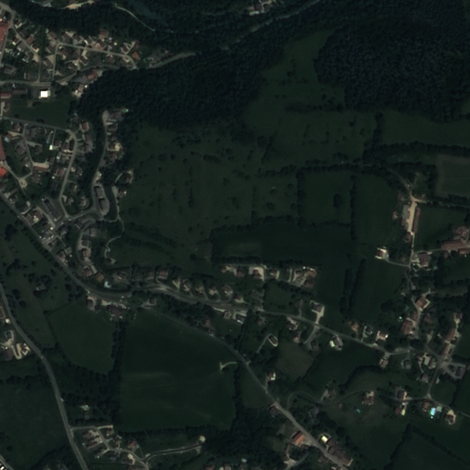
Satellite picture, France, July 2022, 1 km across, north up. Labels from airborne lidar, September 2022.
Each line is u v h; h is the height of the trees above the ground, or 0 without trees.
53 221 0
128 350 0
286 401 0
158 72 13
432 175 12
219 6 13
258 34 8
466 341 0
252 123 0
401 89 33
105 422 21
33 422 0
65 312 0
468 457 0
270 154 7
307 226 17
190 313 15
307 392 0
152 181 0
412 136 0
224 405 0
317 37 0
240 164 0
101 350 0
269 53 21
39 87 0
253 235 0
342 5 8
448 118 21
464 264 0
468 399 0
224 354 0
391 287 0
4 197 0
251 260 15
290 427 0
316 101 0
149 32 21
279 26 24
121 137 12
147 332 0
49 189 9
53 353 12
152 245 7
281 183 0
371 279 0
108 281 0
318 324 0
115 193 0
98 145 6
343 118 0
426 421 0
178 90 23
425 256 0
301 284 0
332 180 0
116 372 18
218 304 0
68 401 14
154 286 0
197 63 32
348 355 0
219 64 23
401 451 13
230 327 0
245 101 17
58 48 0
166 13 6
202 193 0
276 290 0
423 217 0
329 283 0
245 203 0
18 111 0
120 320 6
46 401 0
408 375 6
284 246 0
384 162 17
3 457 8
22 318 0
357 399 0
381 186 0
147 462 0
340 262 0
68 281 7
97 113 9
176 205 0
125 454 0
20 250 0
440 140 0
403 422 0
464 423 0
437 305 6
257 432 16
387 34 28
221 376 0
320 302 0
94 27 23
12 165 12
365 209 0
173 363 0
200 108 20
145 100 22
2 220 0
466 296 10
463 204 10
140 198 0
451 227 8
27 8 25
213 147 0
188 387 0
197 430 15
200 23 25
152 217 0
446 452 13
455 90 6
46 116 0
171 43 23
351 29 20
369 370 18
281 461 9
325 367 0
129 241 6
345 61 7
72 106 13
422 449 0
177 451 0
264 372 6
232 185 0
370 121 0
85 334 0
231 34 31
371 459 0
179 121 21
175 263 0
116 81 19
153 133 0
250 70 15
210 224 0
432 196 6
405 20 17
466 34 29
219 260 16
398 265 0
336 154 7
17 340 0
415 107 21
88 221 0
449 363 0
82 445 0
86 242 0
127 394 0
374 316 0
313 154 0
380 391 9
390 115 0
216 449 8
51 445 0
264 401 0
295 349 0
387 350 10
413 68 34
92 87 17
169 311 11
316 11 18
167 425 0
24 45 0
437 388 0
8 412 0
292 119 0
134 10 24
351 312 16
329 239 0
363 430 0
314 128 0
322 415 15
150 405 0
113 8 23
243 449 18
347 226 16
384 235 0
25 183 0
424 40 25
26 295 0
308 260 0
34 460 0
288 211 0
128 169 12
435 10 29
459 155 22
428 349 0
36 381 19
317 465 0
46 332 0
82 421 14
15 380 15
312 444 0
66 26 21
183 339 0
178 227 0
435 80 7
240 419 17
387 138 0
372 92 33
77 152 0
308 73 0
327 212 0
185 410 0
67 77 0
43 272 0
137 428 0
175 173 0
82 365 0
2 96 0
